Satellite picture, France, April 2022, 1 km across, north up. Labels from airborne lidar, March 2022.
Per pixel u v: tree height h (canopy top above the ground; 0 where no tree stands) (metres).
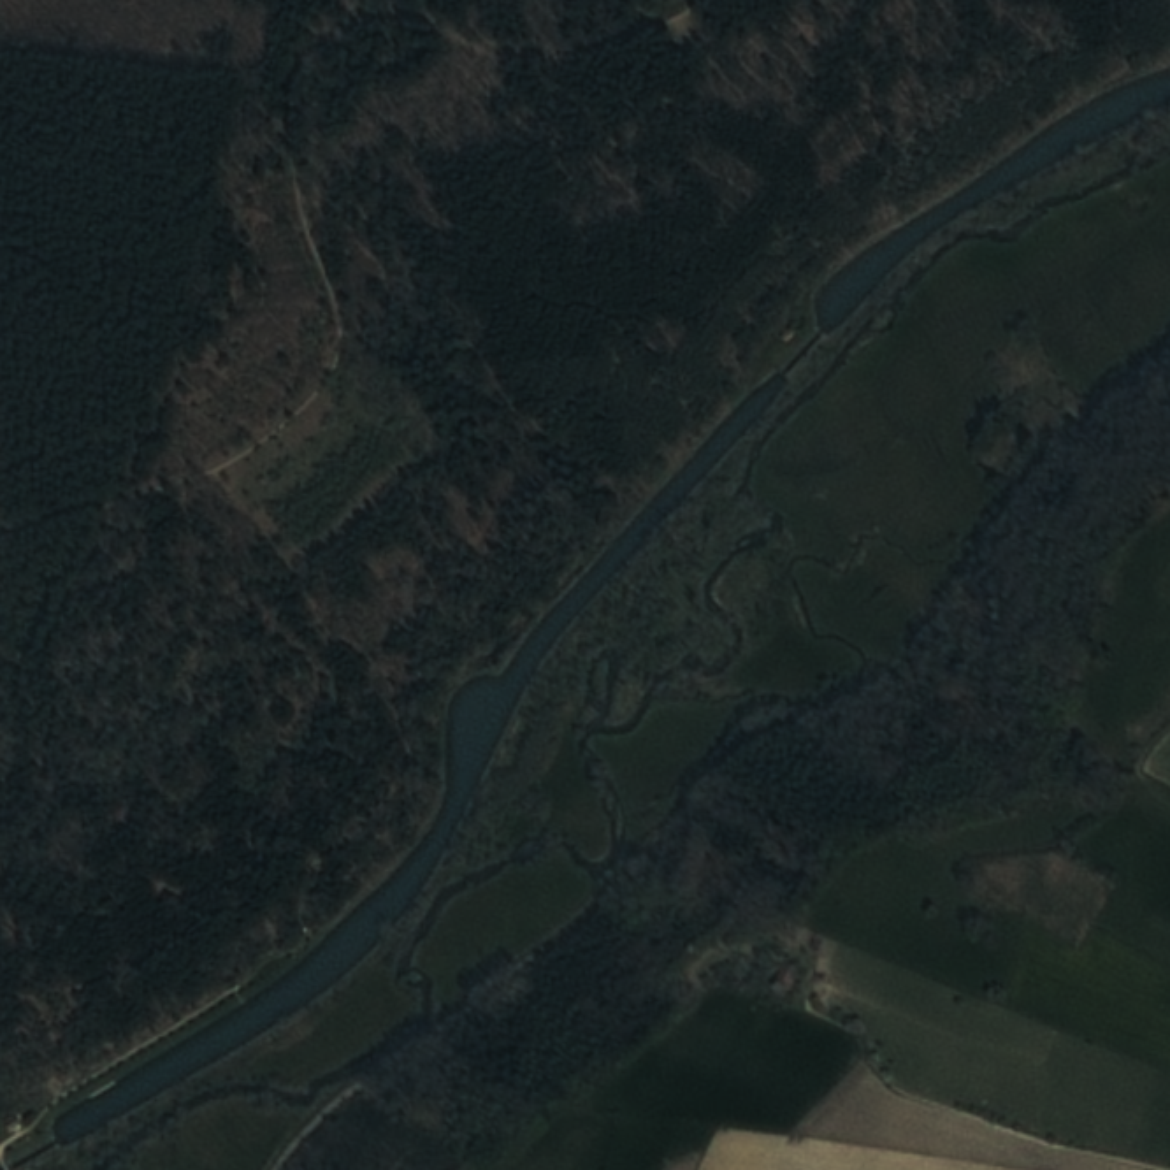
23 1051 16
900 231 0
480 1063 25
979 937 17
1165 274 0
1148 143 21
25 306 21
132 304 19
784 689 0
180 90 32
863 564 0
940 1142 0
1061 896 0
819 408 0
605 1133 0
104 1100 0
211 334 28
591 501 31
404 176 17
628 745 0
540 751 17
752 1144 0
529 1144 15
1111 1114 0
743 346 25
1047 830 0
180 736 22
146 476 19
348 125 27
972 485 0
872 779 24
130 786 20
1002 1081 0
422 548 22
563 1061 15
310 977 0
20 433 21
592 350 18
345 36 19
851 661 0
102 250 35
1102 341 0
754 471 0
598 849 0
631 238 23
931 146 22
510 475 12
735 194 13
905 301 9
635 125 25
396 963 11
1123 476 30
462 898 0
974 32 23
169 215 29
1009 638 26
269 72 27
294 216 11
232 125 31
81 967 11
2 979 14
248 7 16
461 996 0
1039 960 0
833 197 17
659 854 10
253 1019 0
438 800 14
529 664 0
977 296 0
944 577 0
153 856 21
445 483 27
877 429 0
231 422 7
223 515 13
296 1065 0
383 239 26
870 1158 0
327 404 0
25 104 29
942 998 0
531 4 25
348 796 18
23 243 29
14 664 6
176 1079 0
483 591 29
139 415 26
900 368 0
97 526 28
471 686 0
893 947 0
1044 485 24
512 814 12
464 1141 21
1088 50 18
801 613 0
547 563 23
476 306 22
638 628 16
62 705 34
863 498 0
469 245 25
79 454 22
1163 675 0
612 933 11
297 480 0
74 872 19
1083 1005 0
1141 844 0
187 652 16
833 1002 0
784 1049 0
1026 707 24
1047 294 0
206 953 30
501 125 19
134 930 16
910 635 0
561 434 24
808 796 21
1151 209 0
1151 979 0
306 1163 0
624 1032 10
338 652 16
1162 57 19
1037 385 0
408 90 23
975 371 0
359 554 26
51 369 30
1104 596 23
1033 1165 0
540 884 0
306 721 8
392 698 10
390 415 18
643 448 17
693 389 14
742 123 20
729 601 0
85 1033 26
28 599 25
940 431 0
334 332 8
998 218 9
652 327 18
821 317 0
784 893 28
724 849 11
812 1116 0
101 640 21
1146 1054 0
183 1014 13
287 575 24
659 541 16
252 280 18
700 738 0
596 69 23
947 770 14
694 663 11
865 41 25
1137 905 0
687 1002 16
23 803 18
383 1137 0
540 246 17
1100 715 0
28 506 27
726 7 26
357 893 16
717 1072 0
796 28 20
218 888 21
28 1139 0
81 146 29
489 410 18
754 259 17
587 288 19
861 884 0
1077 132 0
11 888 19
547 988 10
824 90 20
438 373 36
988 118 18
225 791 16
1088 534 26
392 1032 0
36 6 19
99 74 29
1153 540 0
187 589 9
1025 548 21
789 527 0
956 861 0
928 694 25
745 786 26
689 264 17
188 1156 0
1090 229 0
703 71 24
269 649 18
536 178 25
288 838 16
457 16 24
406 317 29
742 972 7
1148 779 0
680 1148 0
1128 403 25
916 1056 0
